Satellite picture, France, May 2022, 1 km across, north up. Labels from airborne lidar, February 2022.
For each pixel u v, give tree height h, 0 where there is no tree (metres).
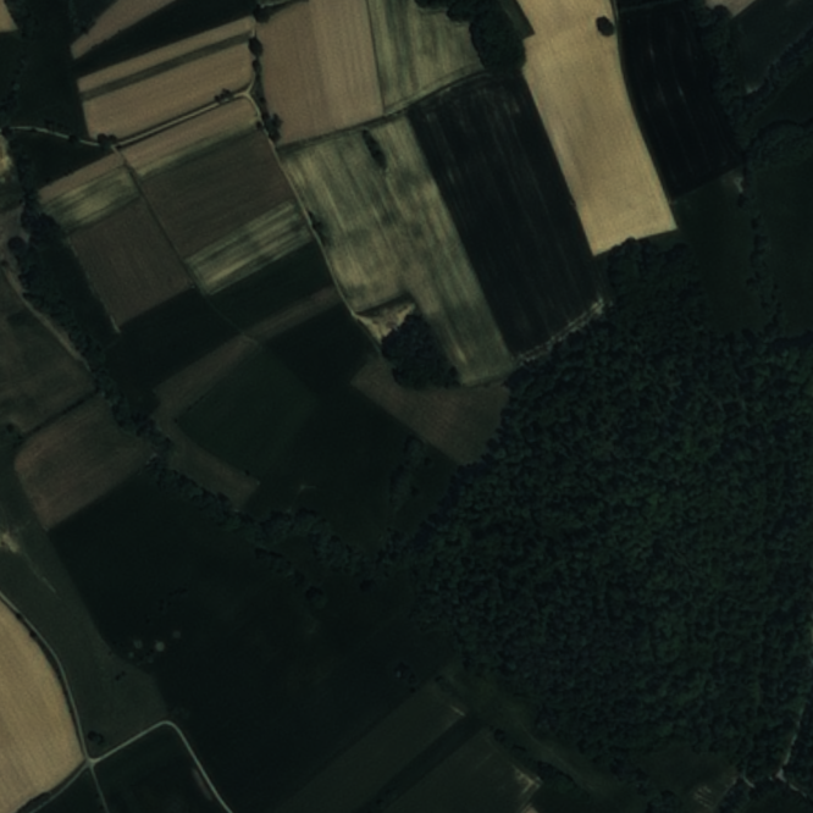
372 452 0
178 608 0
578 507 29
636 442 30
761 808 0
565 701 23
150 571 0
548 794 0
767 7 0
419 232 0
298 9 0
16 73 10
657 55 0
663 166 0
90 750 0
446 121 0
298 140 0
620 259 20
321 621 0
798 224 0
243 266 0
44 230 29
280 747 0
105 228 0
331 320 0
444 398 0
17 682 0
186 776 0
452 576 29
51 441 0
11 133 18
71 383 0
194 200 0
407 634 0
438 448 0
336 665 0
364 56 0
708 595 19
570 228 0
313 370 0
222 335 0
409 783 0
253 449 0
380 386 0
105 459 0
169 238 0
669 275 22
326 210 0
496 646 27
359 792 0
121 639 0
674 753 0
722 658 9
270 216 0
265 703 0
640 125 0
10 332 0
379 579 8
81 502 0
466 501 27
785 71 20
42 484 0
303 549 0
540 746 0
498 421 0
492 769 0
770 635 15
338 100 0
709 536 16
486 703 0
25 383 0
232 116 0
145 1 0
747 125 20
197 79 0
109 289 0
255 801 0
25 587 0
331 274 0
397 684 0
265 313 0
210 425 0
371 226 0
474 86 0
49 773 0
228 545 0
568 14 0
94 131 0
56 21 0
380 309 0
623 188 0
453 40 0
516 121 0
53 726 0
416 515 0
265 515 0
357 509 0
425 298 0
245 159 0
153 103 0
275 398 0
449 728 0
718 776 0
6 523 0
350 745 0
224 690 0
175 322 0
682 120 0
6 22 0
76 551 0
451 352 0
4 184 0
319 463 0
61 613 0
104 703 0
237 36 0
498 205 0
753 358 32
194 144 0
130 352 0
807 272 0
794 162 14
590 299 0
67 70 0
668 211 0
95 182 0
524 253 0
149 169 0
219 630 0
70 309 13
